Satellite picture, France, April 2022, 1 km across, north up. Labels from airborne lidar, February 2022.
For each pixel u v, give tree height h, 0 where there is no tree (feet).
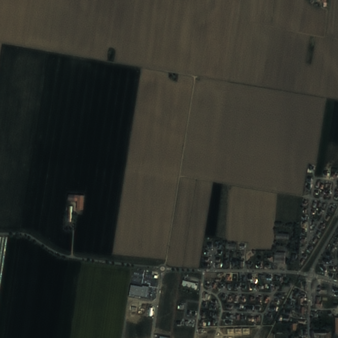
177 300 0
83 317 0
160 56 0
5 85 0
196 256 0
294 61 0
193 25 0
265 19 0
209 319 0
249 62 0
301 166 0
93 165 0
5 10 0
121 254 0
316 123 0
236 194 0
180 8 0
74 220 40
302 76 0
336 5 0
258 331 0
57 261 0
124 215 0
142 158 0
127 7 0
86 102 0
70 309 0
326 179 0
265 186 0
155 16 0
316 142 0
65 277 0
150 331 0
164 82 0
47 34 0
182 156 0
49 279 0
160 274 0
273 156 0
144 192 0
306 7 0
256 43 0
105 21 0
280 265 0
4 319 0
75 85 0
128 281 0
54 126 0
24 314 0
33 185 0
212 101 0
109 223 0
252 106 0
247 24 0
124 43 0
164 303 0
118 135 0
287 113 0
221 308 0
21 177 0
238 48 0
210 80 0
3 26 0
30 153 0
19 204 0
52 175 0
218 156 0
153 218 0
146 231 0
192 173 0
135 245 0
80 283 0
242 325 0
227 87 0
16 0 0
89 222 0
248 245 0
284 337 0
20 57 0
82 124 0
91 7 0
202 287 0
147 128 0
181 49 0
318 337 0
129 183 0
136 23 0
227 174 0
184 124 0
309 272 0
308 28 0
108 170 0
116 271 0
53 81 0
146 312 0
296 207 0
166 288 0
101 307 0
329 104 0
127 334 0
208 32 0
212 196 0
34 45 0
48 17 0
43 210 0
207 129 0
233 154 0
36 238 0
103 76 0
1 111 0
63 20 0
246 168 0
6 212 0
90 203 0
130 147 0
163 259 0
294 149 0
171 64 0
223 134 0
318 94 0
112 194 0
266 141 0
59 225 0
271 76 0
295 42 0
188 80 0
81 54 0
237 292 0
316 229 0
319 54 0
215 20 0
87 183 0
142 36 0
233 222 0
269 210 0
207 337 0
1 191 0
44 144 0
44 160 0
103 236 0
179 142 0
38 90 0
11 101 0
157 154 0
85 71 0
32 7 0
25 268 0
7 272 0
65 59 0
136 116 0
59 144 0
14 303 0
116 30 0
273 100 0
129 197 0
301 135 0
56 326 0
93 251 0
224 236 0
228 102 0
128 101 0
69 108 0
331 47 0
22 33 0
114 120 0
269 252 0
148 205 0
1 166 0
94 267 0
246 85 0
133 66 0
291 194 0
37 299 0
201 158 0
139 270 0
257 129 0
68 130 0
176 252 0
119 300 0
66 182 0
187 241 0
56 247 0
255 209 0
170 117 0
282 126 0
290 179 0
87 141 0
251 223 0
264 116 0
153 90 0
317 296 0
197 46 0
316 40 0
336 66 0
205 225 0
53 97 0
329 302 0
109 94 0
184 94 0
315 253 0
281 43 0
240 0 0
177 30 0
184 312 0
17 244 0
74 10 0
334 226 0
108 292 0
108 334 0
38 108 0
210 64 0
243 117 0
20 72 0
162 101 0
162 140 0
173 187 0
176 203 0
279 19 0
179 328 0
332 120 0
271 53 0
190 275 0
